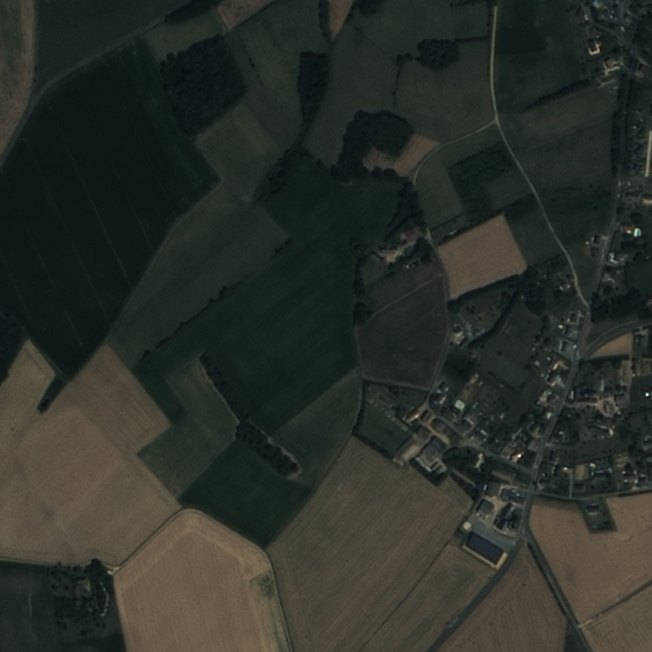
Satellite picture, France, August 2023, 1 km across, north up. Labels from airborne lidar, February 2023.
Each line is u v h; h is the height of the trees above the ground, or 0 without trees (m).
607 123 0
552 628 0
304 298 0
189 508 0
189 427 0
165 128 0
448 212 0
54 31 0
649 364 0
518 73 0
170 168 0
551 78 0
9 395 0
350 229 0
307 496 0
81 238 0
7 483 0
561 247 0
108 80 0
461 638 0
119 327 0
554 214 0
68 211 0
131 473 0
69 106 0
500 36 0
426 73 0
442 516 0
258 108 0
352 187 0
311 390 0
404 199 17
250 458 0
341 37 0
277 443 0
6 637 0
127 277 0
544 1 0
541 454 0
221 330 0
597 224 0
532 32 0
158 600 0
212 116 16
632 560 0
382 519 0
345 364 0
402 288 0
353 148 20
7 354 21
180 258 0
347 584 0
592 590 0
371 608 0
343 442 0
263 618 0
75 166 0
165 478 0
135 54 0
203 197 0
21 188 0
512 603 0
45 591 0
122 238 0
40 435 0
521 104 0
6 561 0
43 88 0
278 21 0
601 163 0
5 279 0
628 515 0
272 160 0
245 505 0
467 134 0
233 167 0
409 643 0
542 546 0
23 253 0
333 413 0
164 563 0
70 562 0
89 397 0
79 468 0
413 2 0
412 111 0
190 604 0
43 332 0
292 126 0
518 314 0
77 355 0
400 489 0
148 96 0
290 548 0
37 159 0
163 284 0
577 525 0
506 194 0
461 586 0
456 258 0
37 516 0
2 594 0
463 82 0
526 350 0
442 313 0
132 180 0
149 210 0
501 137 0
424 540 0
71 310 0
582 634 0
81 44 0
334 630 0
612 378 0
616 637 0
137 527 0
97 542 0
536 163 0
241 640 0
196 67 21
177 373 0
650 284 0
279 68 0
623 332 0
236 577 0
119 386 0
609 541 0
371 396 0
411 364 0
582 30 0
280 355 0
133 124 0
